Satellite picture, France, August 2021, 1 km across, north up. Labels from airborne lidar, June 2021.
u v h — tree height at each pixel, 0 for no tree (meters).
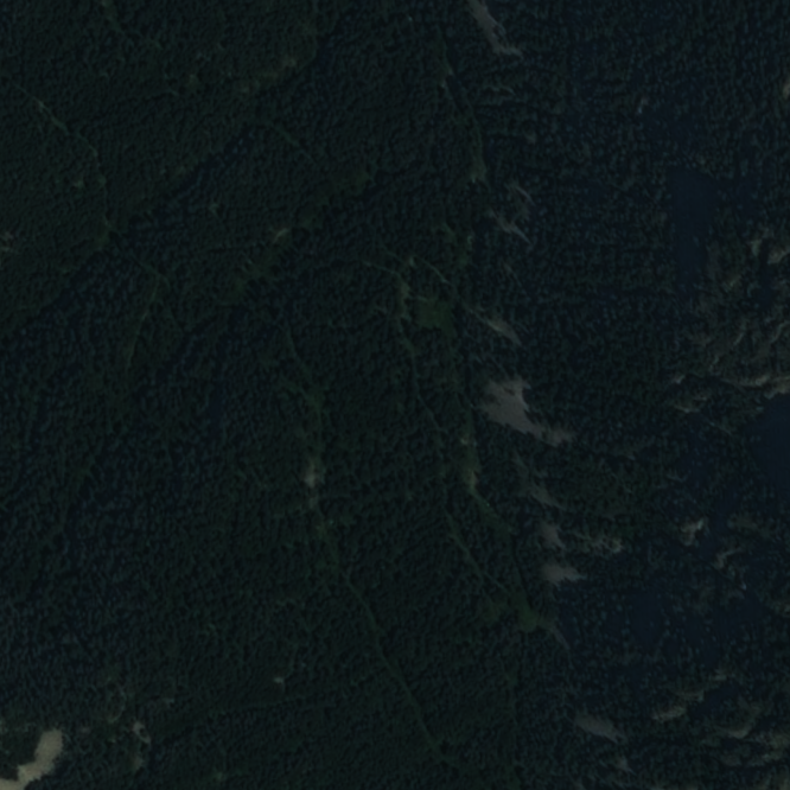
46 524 16
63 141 19
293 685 23
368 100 29
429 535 23
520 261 13
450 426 21
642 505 10
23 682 28
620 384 25
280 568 21
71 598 24
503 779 13
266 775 17
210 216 22
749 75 30
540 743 14
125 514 20
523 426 0
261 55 17
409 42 33
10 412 21
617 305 23
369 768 16
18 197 20
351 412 13
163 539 22
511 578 24
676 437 22
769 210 16
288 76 13
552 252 13
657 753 27
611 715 21
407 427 18
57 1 18
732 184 13
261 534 19
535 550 11
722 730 26
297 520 15
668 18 17
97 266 19
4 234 10
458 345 18
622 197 18
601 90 26
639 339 22
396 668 7
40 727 10
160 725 22
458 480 12
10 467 20
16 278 18
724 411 18
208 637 15
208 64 20
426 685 28
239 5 21
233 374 23
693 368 13
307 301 23
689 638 10
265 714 18
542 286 11
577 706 15
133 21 11
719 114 22
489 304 16
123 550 23
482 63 24
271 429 25
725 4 18
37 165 19
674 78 27
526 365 18
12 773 8
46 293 14
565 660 14
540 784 18
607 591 11
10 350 31
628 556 8
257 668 17
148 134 20
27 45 25
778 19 15
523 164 16
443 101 18
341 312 12
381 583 17
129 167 19
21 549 24
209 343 27
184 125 15
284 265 8
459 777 21
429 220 24
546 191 21
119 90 22
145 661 22
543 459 14
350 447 9
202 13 24
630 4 19
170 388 31
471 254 8
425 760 11
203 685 23
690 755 28
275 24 21
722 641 9
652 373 10
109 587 8
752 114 29
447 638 22
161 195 13
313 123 25
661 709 9
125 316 21
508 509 30
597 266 7
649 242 11
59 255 17
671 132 12
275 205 26
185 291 33
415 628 19
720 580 6
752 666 9
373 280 15
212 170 19
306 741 15
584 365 17
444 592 19
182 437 6
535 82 26
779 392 0
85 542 13
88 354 26
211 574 32
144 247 25
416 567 22
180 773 13
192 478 14
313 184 29
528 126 14
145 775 15
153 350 22
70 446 7
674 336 12
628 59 22
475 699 20
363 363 29
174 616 11
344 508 24
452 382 7
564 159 30
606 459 14
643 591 8
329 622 21
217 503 22
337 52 24
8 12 9
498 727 14
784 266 17
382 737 9
